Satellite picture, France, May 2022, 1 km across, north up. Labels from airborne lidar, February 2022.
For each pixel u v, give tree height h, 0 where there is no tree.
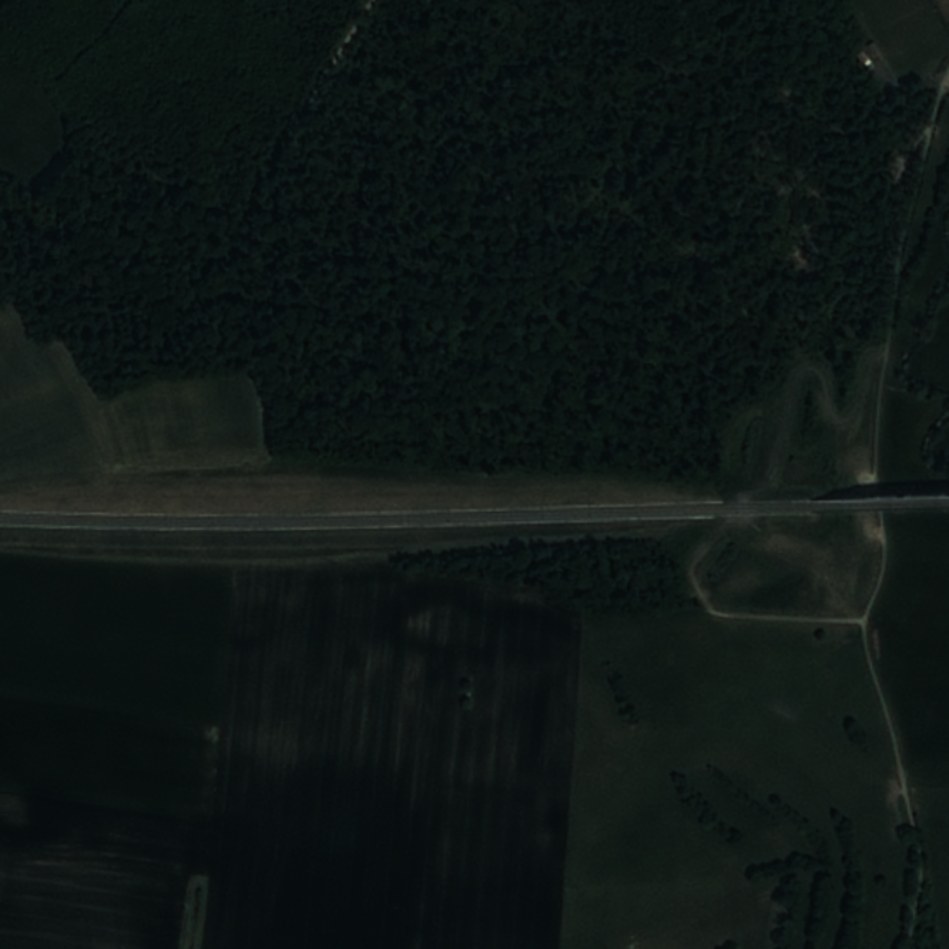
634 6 15
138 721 0
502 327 20
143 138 20
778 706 0
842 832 11
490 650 0
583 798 0
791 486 0
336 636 0
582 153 22
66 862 0
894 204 28
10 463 0
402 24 23
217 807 0
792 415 0
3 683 0
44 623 0
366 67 16
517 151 26
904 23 0
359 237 27
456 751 0
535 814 0
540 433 8
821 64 23
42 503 0
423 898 0
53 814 0
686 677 0
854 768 0
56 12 12
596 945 0
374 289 28
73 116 16
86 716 0
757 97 9
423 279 28
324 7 17
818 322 24
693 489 0
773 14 22
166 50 13
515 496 0
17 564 0
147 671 0
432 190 23
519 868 0
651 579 20
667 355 23
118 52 12
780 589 0
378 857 0
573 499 0
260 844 0
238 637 0
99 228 27
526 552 23
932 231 11
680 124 7
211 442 0
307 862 0
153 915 0
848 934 16
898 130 24
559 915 0
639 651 0
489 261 26
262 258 30
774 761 0
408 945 0
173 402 0
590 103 27
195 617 0
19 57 12
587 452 23
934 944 12
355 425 29
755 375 25
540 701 0
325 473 0
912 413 0
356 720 0
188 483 0
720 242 20
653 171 27
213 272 25
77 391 0
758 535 0
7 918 0
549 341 25
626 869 0
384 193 22
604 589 22
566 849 0
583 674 0
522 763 0
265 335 26
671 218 28
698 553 0
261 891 0
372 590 0
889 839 0
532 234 24
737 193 10
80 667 0
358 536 0
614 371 25
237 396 0
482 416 22
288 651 0
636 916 0
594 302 25
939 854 0
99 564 0
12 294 17
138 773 0
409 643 0
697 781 0
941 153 0
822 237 19
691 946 0
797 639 0
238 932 0
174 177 28
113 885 0
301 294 27
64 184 25
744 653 0
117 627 0
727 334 9
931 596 0
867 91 21
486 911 0
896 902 0
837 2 23
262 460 0
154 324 28
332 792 0
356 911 0
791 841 0
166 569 0
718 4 23
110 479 0
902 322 8
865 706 0
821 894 17
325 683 0
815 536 0
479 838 0
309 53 15
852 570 0
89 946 0
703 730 0
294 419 23
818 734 0
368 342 25
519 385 24
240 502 0
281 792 0
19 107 0
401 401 29
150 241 26
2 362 0
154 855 0
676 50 19
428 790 0
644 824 0
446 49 22
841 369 24
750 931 0
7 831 0
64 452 0
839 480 0
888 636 0
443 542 0
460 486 0
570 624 0
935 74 0
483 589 0
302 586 0
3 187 21
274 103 15
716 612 0
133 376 21
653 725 0
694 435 22
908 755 0
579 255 26
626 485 0
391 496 0
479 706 0
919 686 0
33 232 29
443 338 24
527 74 24
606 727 0
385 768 0
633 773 0
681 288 25
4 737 0
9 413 0
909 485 0
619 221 11
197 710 0
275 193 26
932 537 0
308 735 0
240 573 0
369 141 19
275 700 0
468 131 26
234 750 0
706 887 0
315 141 23
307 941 0
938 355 0
